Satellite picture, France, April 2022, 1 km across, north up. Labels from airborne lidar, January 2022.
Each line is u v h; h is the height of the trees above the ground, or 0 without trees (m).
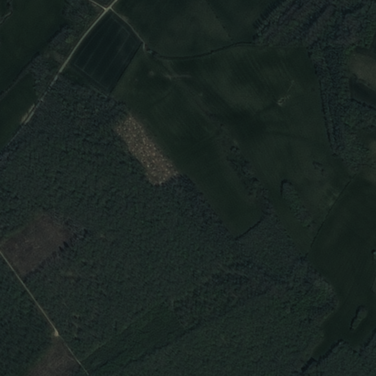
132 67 0
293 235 0
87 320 25
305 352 25
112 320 22
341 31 24
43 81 13
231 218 0
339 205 0
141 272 24
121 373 23
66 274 23
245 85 0
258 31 26
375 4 19
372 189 0
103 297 22
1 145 0
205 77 0
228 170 0
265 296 22
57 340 0
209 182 0
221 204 0
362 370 23
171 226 25
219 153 0
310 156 0
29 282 20
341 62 23
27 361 26
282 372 20
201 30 0
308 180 0
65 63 0
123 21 0
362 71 0
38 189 21
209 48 0
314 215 0
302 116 0
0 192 23
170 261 26
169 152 0
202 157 0
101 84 0
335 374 24
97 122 20
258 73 0
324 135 0
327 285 31
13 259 0
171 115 0
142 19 0
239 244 18
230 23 0
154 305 21
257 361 22
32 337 25
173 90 0
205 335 20
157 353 23
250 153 0
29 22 0
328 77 25
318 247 0
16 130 0
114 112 25
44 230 0
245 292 20
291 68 0
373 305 0
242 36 0
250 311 22
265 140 0
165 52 0
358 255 0
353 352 20
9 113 0
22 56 0
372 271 0
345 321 0
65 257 25
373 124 14
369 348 21
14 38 0
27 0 0
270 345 23
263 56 0
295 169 0
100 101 18
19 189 26
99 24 0
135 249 25
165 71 0
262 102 0
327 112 25
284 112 0
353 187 0
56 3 0
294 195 19
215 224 25
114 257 20
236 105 0
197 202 23
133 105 0
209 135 0
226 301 22
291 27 28
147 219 23
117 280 26
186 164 0
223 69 0
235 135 0
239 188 0
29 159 23
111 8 0
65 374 0
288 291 24
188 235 27
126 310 22
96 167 22
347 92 13
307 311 23
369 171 0
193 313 20
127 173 26
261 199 0
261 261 19
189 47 0
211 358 24
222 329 24
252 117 0
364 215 0
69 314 24
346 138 27
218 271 27
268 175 0
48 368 0
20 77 13
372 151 0
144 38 0
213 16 0
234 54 0
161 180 6
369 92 0
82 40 0
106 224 24
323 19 32
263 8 0
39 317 20
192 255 25
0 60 0
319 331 18
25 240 0
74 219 24
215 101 0
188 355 22
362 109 20
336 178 0
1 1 0
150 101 0
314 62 21
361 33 18
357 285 0
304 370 0
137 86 0
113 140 31
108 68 0
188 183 13
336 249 0
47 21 0
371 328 0
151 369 26
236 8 0
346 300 0
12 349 22
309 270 24
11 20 0
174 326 7
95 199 24
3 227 28
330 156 0
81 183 21
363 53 0
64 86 20
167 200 24
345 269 0
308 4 30
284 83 0
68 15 20
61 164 20
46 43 0
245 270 23
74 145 27
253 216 0
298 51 0
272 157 0
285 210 0
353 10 14
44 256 0
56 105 25
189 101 0
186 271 26
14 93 0
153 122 0
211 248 26
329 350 0
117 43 0
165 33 0
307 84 0
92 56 0
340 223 0
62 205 21
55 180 22
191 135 0
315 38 27
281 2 0
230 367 24
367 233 0
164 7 0
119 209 23
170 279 26
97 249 22
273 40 25
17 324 22
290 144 0
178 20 0
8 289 25
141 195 20
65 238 0
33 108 0
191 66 0
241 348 24
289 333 26
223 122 0
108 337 24
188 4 0
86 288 25
